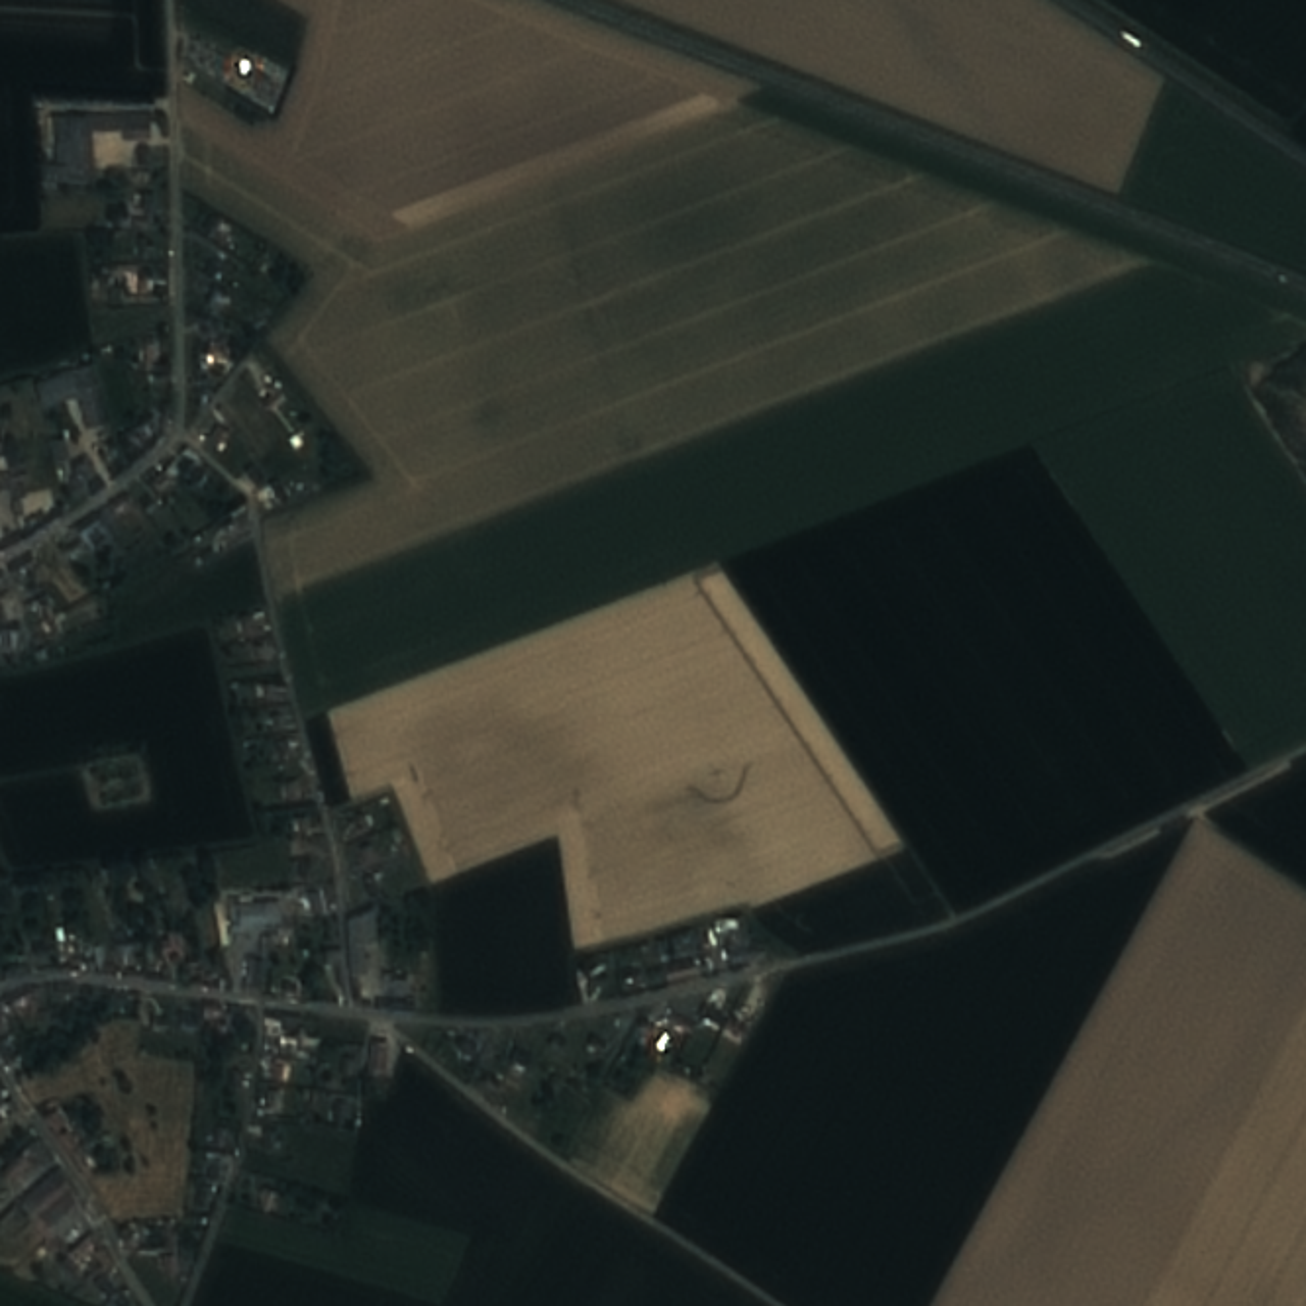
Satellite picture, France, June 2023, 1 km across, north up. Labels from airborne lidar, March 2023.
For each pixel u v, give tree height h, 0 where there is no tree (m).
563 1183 0
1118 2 0
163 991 0
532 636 0
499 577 0
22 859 0
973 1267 0
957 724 0
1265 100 0
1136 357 0
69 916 13
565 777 0
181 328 0
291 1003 0
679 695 0
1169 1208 0
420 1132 0
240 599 0
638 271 0
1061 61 0
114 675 0
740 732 0
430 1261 0
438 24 0
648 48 0
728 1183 0
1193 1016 0
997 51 0
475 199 0
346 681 0
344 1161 0
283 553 0
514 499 0
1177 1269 0
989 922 0
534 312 0
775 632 0
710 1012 0
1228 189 0
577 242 0
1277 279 0
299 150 0
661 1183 0
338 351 0
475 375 0
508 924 0
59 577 0
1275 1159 0
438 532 0
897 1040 0
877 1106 0
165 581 0
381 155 0
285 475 0
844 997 0
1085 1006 0
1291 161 0
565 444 0
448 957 0
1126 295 0
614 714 0
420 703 0
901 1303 0
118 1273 0
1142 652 0
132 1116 0
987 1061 0
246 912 0
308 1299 0
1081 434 0
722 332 0
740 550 0
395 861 0
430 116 0
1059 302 0
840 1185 0
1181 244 0
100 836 0
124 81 0
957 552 0
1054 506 0
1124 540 0
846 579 0
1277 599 0
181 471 10
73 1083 0
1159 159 0
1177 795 0
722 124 0
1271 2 0
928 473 0
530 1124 0
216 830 0
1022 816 0
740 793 0
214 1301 0
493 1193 0
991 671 0
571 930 0
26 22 0
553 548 0
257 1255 0
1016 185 0
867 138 0
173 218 0
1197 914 0
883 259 0
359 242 0
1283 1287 0
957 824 0
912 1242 0
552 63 0
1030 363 0
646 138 0
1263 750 0
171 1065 0
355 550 0
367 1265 0
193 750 0
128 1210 0
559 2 0
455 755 0
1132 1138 0
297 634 0
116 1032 0
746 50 0
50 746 0
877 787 0
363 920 0
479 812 0
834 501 0
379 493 0
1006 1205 0
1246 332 0
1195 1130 0
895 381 0
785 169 0
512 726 0
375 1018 0
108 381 0
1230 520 0
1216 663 0
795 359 0
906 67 0
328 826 0
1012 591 0
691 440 0
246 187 0
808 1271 0
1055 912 0
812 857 0
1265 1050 0
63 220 0
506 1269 0
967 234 0
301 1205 9
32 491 0
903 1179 0
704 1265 0
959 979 0
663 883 0
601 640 0
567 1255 0
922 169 0
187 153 0
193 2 0
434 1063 0
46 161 6
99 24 0
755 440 0
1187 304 0
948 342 0
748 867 0
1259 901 0
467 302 0
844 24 0
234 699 9
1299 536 0
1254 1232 0
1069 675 0
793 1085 0
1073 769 0
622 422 0
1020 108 0
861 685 0
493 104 0
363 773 0
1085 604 0
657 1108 0
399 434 0
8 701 0
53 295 0
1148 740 0
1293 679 0
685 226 0
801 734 0
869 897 0
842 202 0
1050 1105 0
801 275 0
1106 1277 0
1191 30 0
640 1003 0
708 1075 0
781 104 0
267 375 0
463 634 0
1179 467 0
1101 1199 0
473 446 0
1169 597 0
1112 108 0
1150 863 0
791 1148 0
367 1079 11
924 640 0
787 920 0
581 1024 0
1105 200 0
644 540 0
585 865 0
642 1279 0
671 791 0
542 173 0
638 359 0
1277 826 0
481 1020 0
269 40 0
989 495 0
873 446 0
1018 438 0
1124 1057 0
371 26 0
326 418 0
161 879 0
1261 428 0
